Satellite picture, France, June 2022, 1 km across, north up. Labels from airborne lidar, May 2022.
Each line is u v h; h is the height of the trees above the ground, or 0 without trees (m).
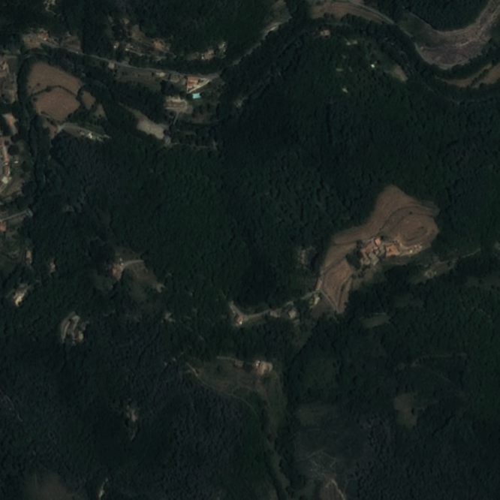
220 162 19
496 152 14
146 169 15
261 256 16
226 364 0
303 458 0
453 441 21
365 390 7
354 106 16
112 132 17
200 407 13
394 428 11
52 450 8
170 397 17
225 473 13
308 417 0
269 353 6
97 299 18
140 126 0
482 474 36
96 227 14
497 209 17
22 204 11
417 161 32
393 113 20
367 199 25
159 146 8
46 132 9
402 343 12
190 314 11
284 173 14
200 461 13
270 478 6
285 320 8
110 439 13
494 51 24
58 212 20
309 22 21
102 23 9
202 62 18
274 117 25
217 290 13
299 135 26
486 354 19
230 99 11
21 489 20
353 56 10
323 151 26
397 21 24
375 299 13
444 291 15
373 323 0
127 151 13
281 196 14
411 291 20
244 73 23
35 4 7
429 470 10
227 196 21
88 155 21
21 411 9
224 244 13
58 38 6
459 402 11
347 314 9
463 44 0
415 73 6
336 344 19
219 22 17
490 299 10
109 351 13
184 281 16
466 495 19
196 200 9
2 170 0
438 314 15
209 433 20
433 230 0
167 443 11
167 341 15
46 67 0
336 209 17
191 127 8
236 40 15
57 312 14
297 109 22
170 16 21
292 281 15
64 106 0
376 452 8
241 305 14
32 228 17
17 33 11
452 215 30
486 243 13
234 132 26
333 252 0
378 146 30
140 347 10
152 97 18
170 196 8
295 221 12
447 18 33
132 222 17
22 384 20
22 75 17
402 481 19
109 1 10
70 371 14
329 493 0
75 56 15
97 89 20
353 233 0
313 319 6
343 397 17
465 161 12
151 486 7
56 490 0
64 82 0
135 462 11
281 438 7
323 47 14
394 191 0
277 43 21
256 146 23
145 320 8
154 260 16
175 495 12
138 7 9
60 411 20
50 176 19
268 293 11
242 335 13
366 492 11
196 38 12
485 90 16
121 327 13
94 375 16
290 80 24
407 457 12
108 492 6
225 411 23
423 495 23
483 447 23
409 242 0
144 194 22
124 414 8
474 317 10
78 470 9
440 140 16
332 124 38
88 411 22
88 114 8
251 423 10
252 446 16
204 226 10
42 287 13
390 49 16
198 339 17
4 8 10
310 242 19
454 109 17
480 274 7
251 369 10
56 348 9
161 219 19
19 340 20
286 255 13
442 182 16
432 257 6
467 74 15
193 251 13
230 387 0
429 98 26
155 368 14
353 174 22
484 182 26
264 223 20
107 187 21
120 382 11
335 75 12
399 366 5
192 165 18
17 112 22
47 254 17
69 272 13
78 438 16
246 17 12
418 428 8
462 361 6
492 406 16
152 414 8
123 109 15
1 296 15
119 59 14
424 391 7
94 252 15
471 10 33
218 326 16
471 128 10
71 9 19
